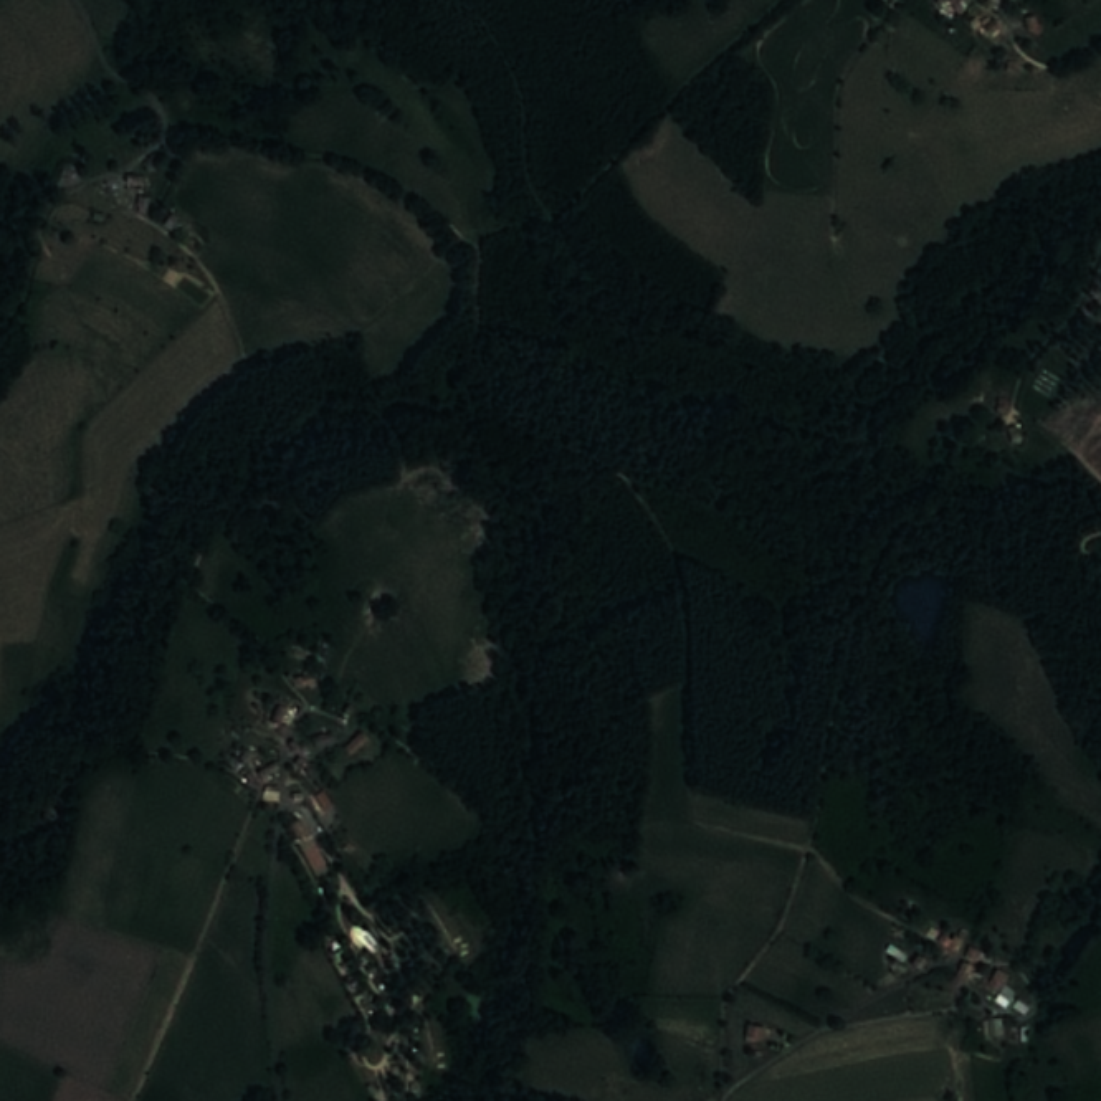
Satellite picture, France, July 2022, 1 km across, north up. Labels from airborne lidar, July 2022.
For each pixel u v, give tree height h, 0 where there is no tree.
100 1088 0
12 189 25
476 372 27
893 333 13
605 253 21
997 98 0
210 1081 0
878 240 0
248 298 0
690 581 23
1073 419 0
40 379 0
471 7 9
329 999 0
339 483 34
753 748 27
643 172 0
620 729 21
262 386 25
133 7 27
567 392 29
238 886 0
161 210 11
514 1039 23
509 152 8
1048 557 17
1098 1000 0
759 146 9
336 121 0
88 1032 0
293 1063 0
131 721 26
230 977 0
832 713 21
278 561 7
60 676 7
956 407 0
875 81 0
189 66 14
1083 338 21
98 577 0
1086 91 0
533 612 21
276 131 7
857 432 23
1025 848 0
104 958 0
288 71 9
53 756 33
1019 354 15
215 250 0
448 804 0
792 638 22
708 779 23
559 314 26
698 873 0
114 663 31
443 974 8
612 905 9
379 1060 0
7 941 0
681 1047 0
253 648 13
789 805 22
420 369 20
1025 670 0
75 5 0
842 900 0
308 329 0
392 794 0
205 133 20
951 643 17
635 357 24
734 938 0
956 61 0
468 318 15
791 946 0
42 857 8
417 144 0
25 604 0
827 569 23
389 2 24
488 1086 8
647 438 24
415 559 0
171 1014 0
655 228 7
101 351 0
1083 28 0
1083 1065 0
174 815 0
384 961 7
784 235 0
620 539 8
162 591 22
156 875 0
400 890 15
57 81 0
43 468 0
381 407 27
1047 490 24
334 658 0
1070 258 26
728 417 34
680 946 0
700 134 15
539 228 22
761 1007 0
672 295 9
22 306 7
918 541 19
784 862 0
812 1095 0
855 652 23
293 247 0
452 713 18
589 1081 0
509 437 19
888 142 0
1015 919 0
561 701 23
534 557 28
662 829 0
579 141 10
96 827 0
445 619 0
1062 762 0
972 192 0
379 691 0
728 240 0
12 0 0
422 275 0
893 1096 0
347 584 0
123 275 0
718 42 0
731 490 24
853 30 0
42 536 0
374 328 0
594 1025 7
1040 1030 11
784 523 19
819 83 0
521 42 10
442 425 30
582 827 25
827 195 0
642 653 24
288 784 0
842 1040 0
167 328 0
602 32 10
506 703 17
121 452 0
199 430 27
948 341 18
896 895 0
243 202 0
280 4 19
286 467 26
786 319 0
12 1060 0
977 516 18
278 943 0
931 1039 0
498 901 13
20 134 27
